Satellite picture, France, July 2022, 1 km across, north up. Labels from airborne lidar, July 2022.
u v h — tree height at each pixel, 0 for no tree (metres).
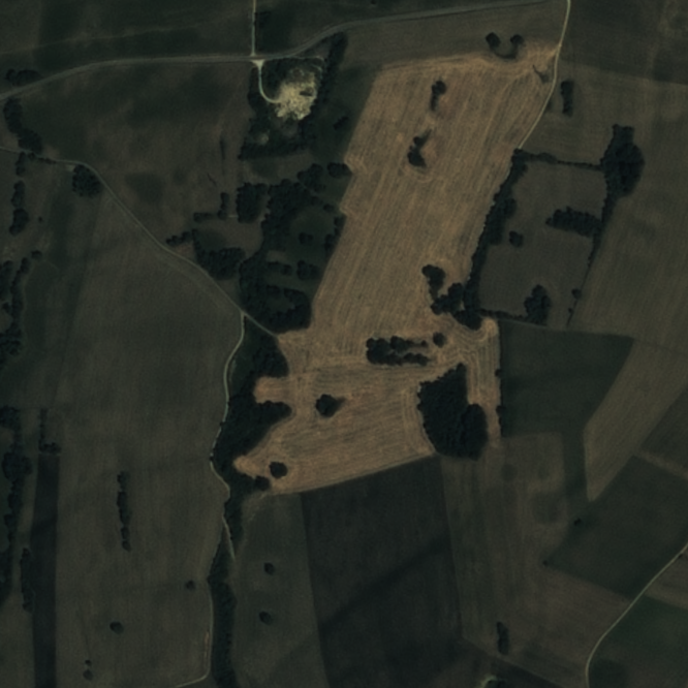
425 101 0
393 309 0
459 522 0
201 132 0
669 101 0
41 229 0
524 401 0
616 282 0
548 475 0
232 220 0
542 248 0
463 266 0
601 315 0
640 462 0
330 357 0
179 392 0
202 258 9
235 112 0
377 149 0
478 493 0
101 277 0
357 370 0
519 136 0
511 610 0
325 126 0
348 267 0
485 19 0
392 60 0
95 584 0
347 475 0
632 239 0
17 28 0
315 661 0
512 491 0
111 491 0
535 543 0
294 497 0
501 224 16
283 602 0
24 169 7
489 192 0
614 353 0
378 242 0
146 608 0
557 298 0
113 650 0
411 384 0
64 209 0
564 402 0
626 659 0
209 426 0
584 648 0
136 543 0
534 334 0
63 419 0
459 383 16
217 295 0
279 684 0
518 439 0
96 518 0
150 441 0
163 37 0
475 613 0
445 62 0
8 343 22
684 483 0
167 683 0
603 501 0
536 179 0
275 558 0
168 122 0
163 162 0
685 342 0
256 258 9
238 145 0
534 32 0
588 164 7
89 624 0
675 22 0
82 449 0
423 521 0
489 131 0
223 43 0
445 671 0
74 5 0
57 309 0
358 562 0
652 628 0
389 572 0
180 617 0
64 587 0
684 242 0
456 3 0
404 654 0
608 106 0
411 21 0
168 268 0
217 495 0
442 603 0
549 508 0
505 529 0
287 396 0
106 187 0
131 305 0
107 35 0
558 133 0
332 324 0
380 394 0
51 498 0
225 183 0
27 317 0
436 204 0
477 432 21
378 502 0
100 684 0
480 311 11
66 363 0
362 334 0
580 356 0
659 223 0
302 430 0
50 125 0
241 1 0
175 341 0
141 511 0
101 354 0
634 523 0
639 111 0
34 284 0
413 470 0
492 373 0
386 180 0
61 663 0
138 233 0
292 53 0
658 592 0
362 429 0
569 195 0
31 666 0
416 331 0
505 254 0
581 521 8
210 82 0
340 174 14
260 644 0
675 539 0
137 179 0
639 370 0
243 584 0
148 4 0
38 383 0
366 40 0
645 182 0
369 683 0
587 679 0
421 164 9
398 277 0
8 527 15
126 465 0
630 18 0
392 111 0
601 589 0
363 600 0
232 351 0
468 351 0
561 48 0
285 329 11
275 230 14
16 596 0
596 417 0
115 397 0
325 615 0
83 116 0
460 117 0
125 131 0
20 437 13
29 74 12
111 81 0
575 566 0
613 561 0
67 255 0
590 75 0
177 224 0
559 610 0
